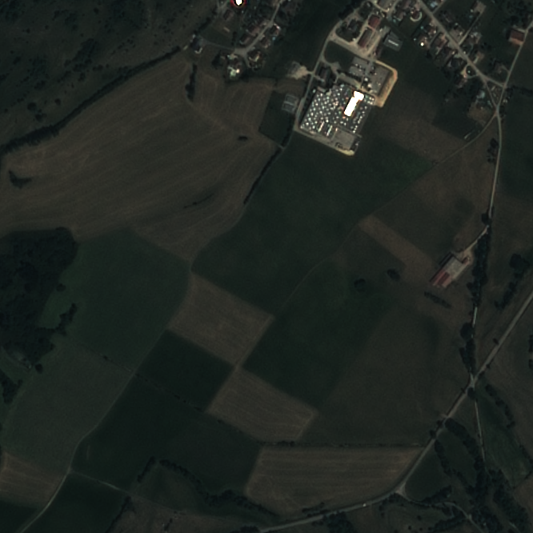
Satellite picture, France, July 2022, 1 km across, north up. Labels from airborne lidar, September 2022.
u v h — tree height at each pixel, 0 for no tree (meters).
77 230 0
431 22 0
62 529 0
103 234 0
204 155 0
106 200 0
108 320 0
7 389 8
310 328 0
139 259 0
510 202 0
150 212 0
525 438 0
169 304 0
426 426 0
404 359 0
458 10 0
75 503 0
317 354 0
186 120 0
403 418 0
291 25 6
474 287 14
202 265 0
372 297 0
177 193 0
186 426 0
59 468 0
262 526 0
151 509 0
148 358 0
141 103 0
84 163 0
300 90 0
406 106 0
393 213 0
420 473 0
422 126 0
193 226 0
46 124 0
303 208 0
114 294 0
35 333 8
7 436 0
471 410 0
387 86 0
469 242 0
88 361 0
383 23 0
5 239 0
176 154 0
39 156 0
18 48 0
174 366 0
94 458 0
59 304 0
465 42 6
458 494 0
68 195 0
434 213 0
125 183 0
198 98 0
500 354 0
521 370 0
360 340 0
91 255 0
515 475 0
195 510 0
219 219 0
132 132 0
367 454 0
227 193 0
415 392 0
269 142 0
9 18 12
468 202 0
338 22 0
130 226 0
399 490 0
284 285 0
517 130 0
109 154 0
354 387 0
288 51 0
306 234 0
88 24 0
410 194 0
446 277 0
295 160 0
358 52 0
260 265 0
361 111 0
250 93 0
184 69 0
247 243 0
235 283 0
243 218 0
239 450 0
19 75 0
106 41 0
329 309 0
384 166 0
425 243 0
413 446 0
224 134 0
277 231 0
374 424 0
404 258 0
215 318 0
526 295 0
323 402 0
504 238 0
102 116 0
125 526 0
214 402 0
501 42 0
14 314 7
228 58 9
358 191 0
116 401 0
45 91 0
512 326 0
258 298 0
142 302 0
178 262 0
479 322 0
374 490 0
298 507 0
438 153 0
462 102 0
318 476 0
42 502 0
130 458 0
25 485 0
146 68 7
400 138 0
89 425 0
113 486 0
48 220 0
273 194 0
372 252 0
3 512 0
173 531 0
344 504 0
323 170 0
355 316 0
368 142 0
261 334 0
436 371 0
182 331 0
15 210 0
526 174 0
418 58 0
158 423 0
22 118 0
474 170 0
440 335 0
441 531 7
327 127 0
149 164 0
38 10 0
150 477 0
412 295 0
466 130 0
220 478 0
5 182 0
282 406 0
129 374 0
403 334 0
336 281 0
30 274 20
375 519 0
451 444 0
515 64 0
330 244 0
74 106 0
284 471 0
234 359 0
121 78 8
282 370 0
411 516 0
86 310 0
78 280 0
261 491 0
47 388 0
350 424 0
